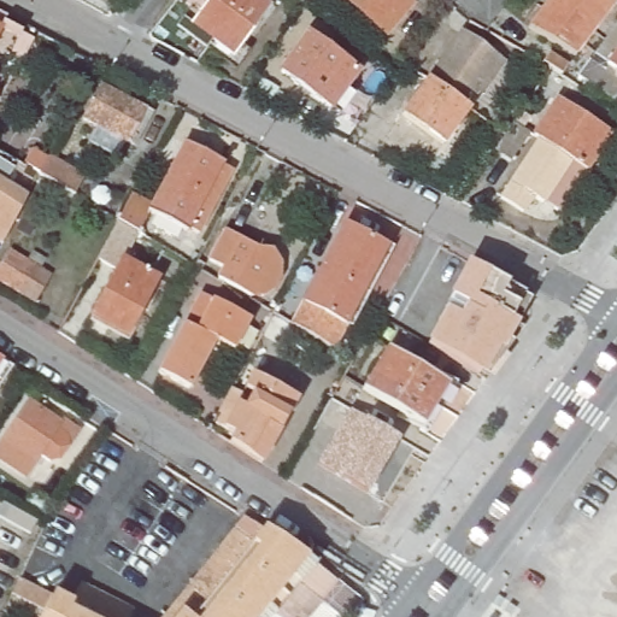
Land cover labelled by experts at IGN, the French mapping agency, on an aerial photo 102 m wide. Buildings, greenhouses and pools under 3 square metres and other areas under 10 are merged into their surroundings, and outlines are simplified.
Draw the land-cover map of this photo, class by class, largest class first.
<instances>
[{"label":"impervious surface","instance_id":"1","mask_svg":"<svg viewBox=\"0 0 617 617\"><path fill-rule=\"evenodd\" d=\"M190 0H0V19H5V31L17 36L14 53L22 55L31 46L36 51L51 53L53 48H60V53L67 60L92 58L94 65H111L113 60H118L121 67L135 72L137 77L147 82H159L166 89H171L174 94L169 96V101H159V106H147L140 118L142 130L135 133L128 142L130 152L108 174V181L133 186L135 164L149 149L166 154L169 159L176 157L183 142L190 137L222 154L224 161L236 171L243 166L246 145L234 135L217 137L212 133H200L198 118L186 116V106H195L210 118L239 128L260 145H268L265 154L255 159L248 176L236 174L227 186L202 234L200 229L186 227L183 222L159 210H149L152 219L142 224L145 236H152L157 231L188 255H193V260L198 263V277L193 289L205 292L207 284H227L246 294L251 289L239 280H231L229 275H217L219 268H224V260H207L215 236L222 229H231L258 243L275 246L282 255V265L287 260L296 263L304 241H294L289 246L284 243V239L277 234V210L304 183V176H292L272 202H260V178H270L272 169L280 166L284 157L294 159L296 164H304L325 181L340 186V210L335 212L333 224L340 229L342 222L352 217L354 222L366 224L369 229L393 241L374 272L371 287L376 292H383L388 296L390 313L395 316L393 325L383 330L378 345L386 347L400 345L419 354L436 369L453 376V386H446V390L436 398V407L429 415H419L415 410L407 419L395 407L381 400L374 402L364 393V386L347 378L342 381L337 376V366L333 364L328 371L309 378L296 366L272 357L277 352V335L289 325H296L294 311L299 299L306 296L311 270L299 268L296 280L284 301L277 304L275 294L268 299L253 296L260 311L251 313V328L246 330L241 347L255 352L248 364L289 383L296 390H304V400L296 405L292 422L282 424L268 458L260 456V451L253 448L248 441L229 436L227 439L215 434L207 424L176 410L154 393V381L161 376L195 395L202 402L205 412H212L217 405L222 407L224 398L212 395L202 386V378L190 381L169 366H161L157 359L147 366V371L140 378L116 371L77 345L80 330H84L89 337H94L96 333L104 335L108 330V323L96 321L92 325L87 316L101 289L108 284V277L116 270V265L104 258L99 260L101 268L96 282L84 294L75 316L63 328L58 325V321H51V325H46L41 318L0 296V374L10 376L12 366L29 376L39 371L46 378L60 383V393L65 398H72L84 410L94 412L89 419H84L70 405L53 398L51 402L65 410L60 419H70L82 429L63 456L39 458V463L31 468V480L36 482H48L55 470L70 468L99 427L113 431V441H106L101 453H94L92 465H87L77 475V484L70 492V504L65 506L60 521L39 525L43 535H39L36 540V550L29 559L24 578L31 581L36 588L51 593L65 588L75 593L80 605L104 617H161L178 598V593L188 586V581L195 578L200 566L222 545V540L231 533V528L246 516L258 523H275L284 528L313 550L323 569L340 578L328 590V603L321 605L311 617H617V200L595 222V227L586 234L576 251L559 253L550 246L537 243L530 236L496 222H477L472 219L470 210L484 202L492 210L499 202L496 195L504 190L509 176L521 166L533 142L545 137L542 133H535V123H542V116L537 113H523L516 121V130L501 135L496 145L501 159L492 164L489 174H482L477 183L468 188L463 200L451 198L446 193H431L419 183H412L407 174L393 171L390 164H381L376 159V149L383 145H422L434 149L431 164L439 169L448 159L453 142L443 137L436 128L431 130V135H424L415 125H407L402 121V99L412 92V87H398L386 104H378L374 99L357 92L364 84L366 67L371 65L366 63V53L333 24H328L325 19L313 22V14L304 10L299 22L287 31L280 55L270 60L260 84L270 94H280L284 89L296 87L304 94H309L304 104L306 108L313 111L318 104L323 108H330L337 116V125L330 135L323 137L306 133L304 125L294 123L292 118H275L270 111H255L248 104V87L239 89L234 82H217L215 72H207L202 67V58L210 48H217L224 55H229L227 70L231 72V77H243L248 65L260 58L265 43L277 36V29L284 19V5L280 0H270L263 14L255 19V24H251L243 31L241 41L236 46H229L219 39H212L202 27L193 22V10L188 7ZM166 17L176 22L178 39H190L193 58L166 41ZM313 27L321 34L330 36L359 63L354 87L345 89L340 99H328L311 82L287 70V60ZM472 255L506 270L513 280L525 282L530 292H537V301L530 311L528 323H516L509 352L499 357L492 371L470 374L446 352L434 347L429 342V335L453 292V287L446 280H451L453 270H463V265ZM588 371H598L600 383L593 386V398H578L576 386L578 381H586ZM337 400L347 407L374 415L400 431H407L412 439L429 446V460L422 465L419 472H415L407 489L400 492L383 525H364L362 533H357L354 525H349L354 513L347 504L328 494L325 489L311 482H301L292 475L280 477V463L287 460L306 424L316 429L328 402ZM545 431H554L557 443L550 448L547 458H535L533 443L542 441ZM523 460H535L537 468L530 475V484L518 487L516 501H509V513L501 518H492L489 509L494 501H501V492L511 484L513 470H523ZM482 518H492L494 530L487 535V542H472L470 530L480 528ZM415 12L402 24H395L388 34L386 48L388 53H393L407 36L410 27L422 17L424 5L429 0H407ZM615 5V12L595 31L593 41L588 46L576 43L574 53L525 29L509 17V7L504 0H456L451 14L443 19L453 29H460L465 24L470 34H477L496 53L506 58L509 51H525V46H535L542 51L545 65L550 67L545 101L554 104L562 94L564 99L583 106L603 123H607L610 113L600 104L578 92L581 82H586L583 72L588 70L590 60L607 63L615 60L612 55L617 53V0H610ZM419 75H436L448 87L458 89L465 99H470V113L475 121H489L492 116H496L492 99L494 92L504 84V75L499 72L482 94H477L465 82L448 75L443 67H436L431 58H412L410 63ZM29 84L27 77L10 75L5 80V87L0 89V111L12 92L24 89ZM92 125H87L82 118L75 123L72 135L63 149L67 154H80V145L89 140ZM51 154L39 149V142H27L19 149L5 140V135H0V178H7L12 171H19L31 181L43 178V166ZM0 487H2V489H7V492H12L14 496H27V489H24V484H19V482H17V480H12L10 475H7V472H2V470H0Z\"/></svg>","mask_w":617,"mask_h":617},{"label":"building","instance_id":"2","mask_svg":"<svg viewBox=\"0 0 617 617\"><path fill-rule=\"evenodd\" d=\"M270 0H190L188 7L193 10V22L202 27L212 39H219L229 46H236L241 41L243 31L251 24H255V19L263 14ZM357 10L364 12L378 29L388 34L395 24H402L415 12L407 0H359ZM615 12V5L610 0H537L533 5V14L525 29L574 53L576 43L588 46L593 41L595 31ZM17 36L5 31V19H0V51L14 53ZM431 58L436 67H443L448 75L465 82L477 94H482L499 72L504 75L506 58L496 53L477 34H470L465 24L460 29H453L443 19L434 36L427 41L419 58ZM287 70L311 82L328 99H340L345 89L354 87L359 63L330 36L321 34L313 27L287 60ZM615 60L607 63L590 60L588 70L583 72L586 82H605V94L617 99V53L612 55ZM402 121L407 125H415L424 135H431V130L436 128L443 137L453 142L463 133L470 113V99H465L458 89L448 87L436 75H419L417 84L412 87V92L402 99ZM147 106L111 84H101L99 87L84 106L82 118L87 125H92L89 140L92 145L106 152L113 149L118 142H128L135 133L142 130L140 118ZM537 113L542 116V123H535V133H542L545 137L533 142L521 166L509 176L504 190L496 195L499 202L504 205L537 219H557L564 195L571 188L574 178H578L583 169H590L598 161L600 145L610 137L607 123H603L583 106L564 99L562 94L554 104L545 101L542 111ZM236 174V171L224 161L222 154L190 137L183 142L176 157L169 159V171L159 183L157 193L152 198H145L140 193L128 195V202L123 212L116 215V224L108 234L99 253V260L104 258L116 265V270L108 277V284L101 289L87 316L92 325L96 321L108 323V330L104 335L137 337L145 330L147 316H152L157 309L154 289L159 284V272H147V263L128 253L130 246L140 243L145 236L142 224L152 219L149 210H159L183 222L186 227L200 229L202 234L227 186ZM43 178L60 181L67 195H77L82 181L75 166L51 154L43 166ZM27 200V190L7 178H0V282L36 301L43 284H55V265L43 263V255L39 253L22 255L12 251L7 234L19 217L22 205ZM393 241L369 229L366 224L354 222L352 217L342 222L340 229L333 224L330 239L321 236L316 243V270H311L306 296L299 299L294 311L296 325L328 345L340 342L342 337L347 328L359 318L371 292H376L371 287L374 272ZM224 260V268H219L217 275H229L231 280H239L251 289L246 294L253 296L268 299L275 294L284 282L282 265V255L275 246L258 243L231 229H222L215 236L207 260ZM453 287V292L429 335V342L434 347L446 352L470 374L492 371L499 357L509 352L516 323H528L530 311L537 301V292H530L525 282L513 280L506 270L472 255L463 265V270H453L451 280H446ZM251 328V313L222 296H212L205 292L193 289L181 309V316L169 323L157 359L161 366H169L190 381L202 378V369L210 354L219 345L241 347L246 330ZM446 386H453V376L436 369L419 354L400 345L386 347L383 359L378 362V366L364 386V393L374 402L381 400L395 407L407 419L415 410L419 415H429L436 407V398L446 390ZM304 400V390H296L289 383L248 364L224 398L222 407L217 422L229 431V436L248 441L253 448L260 451V456L268 458L282 424L292 422L296 405ZM53 398L39 395L34 400L24 395L17 402V407H12L0 395V470H2V472H7V475H10L12 480H17V482H19V484H24V487L36 482L31 480V468L39 463V458L63 456L82 429L70 419H60L65 410L51 402ZM400 431L374 415L347 407L337 400L328 402L316 429L309 448L304 451L292 475L301 482H311L325 489L328 494L347 504L354 513L349 525H354L357 533H362L364 525H383L400 492H376L369 496V487L378 484V475L395 448ZM340 578L323 569L313 550L284 528L275 523H258L246 516L231 528V533L222 540V545L200 566L195 578L188 581V586L178 593V598L161 617H311L321 605L328 603V590ZM12 598L17 603L31 605L36 610V617H104L80 605L75 593L65 588L51 593L36 588L31 581L24 578L12 586Z\"/></svg>","mask_w":617,"mask_h":617},{"label":"deciduous trees","instance_id":"3","mask_svg":"<svg viewBox=\"0 0 617 617\"><path fill-rule=\"evenodd\" d=\"M10 75L27 77L29 84L24 89L12 92L0 111V118L7 123V133H24L39 123L41 113H53L48 121V130L39 142V149L51 154L75 166L82 181L77 195H67L60 181L43 178L31 181L19 171H12L7 178L27 190V200L22 205L19 217L24 222H31L34 227L46 224L48 219H67L72 224V231H77L80 236H89L96 229L108 234L116 224V215L123 212L128 202V195L140 193L145 198H152L157 193L159 183L169 171V159L166 154L149 149L135 164L133 186L108 181V174L130 152L128 142H118L113 149L106 152L92 145L89 140L80 145V154H67L63 149L72 135L75 123L82 118L84 106L99 87L80 72L63 70L51 58V53L36 51L31 46L22 55L17 65L7 67ZM550 67L545 65L542 51L535 46H525V51H509L506 58L504 75V84L494 92L492 99L496 116H492L489 121H475L470 113L463 133L453 142L448 159L439 169L431 164L434 149L422 145H383L376 149V159L381 164H390L393 171L407 174L412 183H419L431 193H446L451 198L463 200L468 188L477 183L482 174H489L492 164L501 159L496 145L501 135L516 130V121L523 113H537L542 111L545 101ZM366 63L371 65L383 70V82L378 84L374 99L378 104H386L398 87H412L417 84L419 75L410 63L398 60L393 53H388L386 48L366 53ZM101 84H111L147 106H159V101H169V96L174 94L171 89H166L159 82H147L137 77L135 72L121 67L118 60H113L111 65H94ZM309 94H304L296 87L284 89L280 94H270L260 84L248 82V104L255 111H270L275 118H292L294 123L304 125L306 133L323 137L330 135L337 125V116L330 108H323L318 104L313 111L306 108L304 104ZM578 92L600 104L610 113L607 123L610 137L600 145L598 161L590 169H583L578 178H574L571 188L564 195L557 219V227L550 234V246L559 253L576 251L586 234L595 227V222L617 200V99L605 94V82H581ZM292 176H304V183L277 210V234L284 239V243L289 246L294 241H304L316 243L321 236L330 239L333 224L335 212L340 210V186L325 181L304 164H296L294 159L284 157L280 166L272 169L270 178H260V202H272ZM504 212V205L499 202L492 210L484 202L470 210L472 219L477 222H496ZM212 296H222L251 313L260 311L253 296L246 294L227 284H207L205 292ZM395 316L390 313L388 296L383 292H371L359 318L347 328L342 337L349 345L371 347L378 345L383 330L393 325ZM272 357L296 366L309 378L328 371L333 364L328 345L296 325H289L277 335V352ZM255 352L241 347L219 345L210 354L202 369V386L212 395L224 398L248 364ZM429 460V446L412 439L407 431H400L395 448L378 475V484L369 487V496L376 492H400L407 489L415 472H419L422 465ZM0 617H36V610L31 605L17 603L0 612Z\"/></svg>","mask_w":617,"mask_h":617},{"label":"brushwood","instance_id":"4","mask_svg":"<svg viewBox=\"0 0 617 617\"><path fill-rule=\"evenodd\" d=\"M284 5V19L277 29V36L265 43L260 58L248 65L243 77H231V72L227 70L229 55H224L217 48H210L202 58V67L207 72H215L217 82H234L239 89L248 87V82L260 84L270 60L280 55L287 31L299 22L304 10L313 14V22L325 19L328 24H333L366 53L386 48L388 34L378 29L364 12L357 10L359 0H280ZM456 0H429L424 5L422 17L410 27L407 36L393 53L398 60L410 63L412 58H419L427 41L434 36L443 19L451 14ZM509 7V17L525 29L533 14V5L537 0H504ZM186 116L198 118L200 133H212L217 137L234 135L246 145L243 166L236 171V174L248 176L255 159L265 154L268 145H260L239 128L210 118L195 106H186ZM316 243L304 241L296 263L287 260L282 265L284 282L275 294L277 304L284 301L296 280L299 268L311 270H316ZM198 277V263L193 260V255H188L181 265H169V270L159 272V284L154 289L157 309L152 316H147L145 330L137 337L104 335L96 333L94 337H89L84 330H80L77 345L116 371L140 378L147 371V366L157 359L169 323L181 316V309L193 289ZM0 296L41 318L48 316V306L36 301L0 282ZM333 364L337 366V376L342 381L347 378L349 371L362 374V364L366 362L371 347L349 345L342 337L340 342L328 345ZM0 395L12 407H17V402L24 395L34 400L39 395L53 398L70 405L84 419H89L94 412L84 410L72 398H65L60 393V383L46 378L39 371L29 376L12 366L10 376L0 374ZM154 393L176 410L207 424L215 434L227 439L229 436V431L217 422L222 407L217 405L212 412H205L202 402L195 395L161 376L154 381ZM316 429L306 424L287 460L280 463V477L292 475L304 451L309 448ZM106 441H113V431L99 427L70 468L55 470L48 482H36L24 487V489H27V496H14L12 492H7V489H2V487H0V501H7L22 509L24 513L34 516L39 525L60 521L65 506L70 504V492L77 484V475L87 465H92L94 453H101Z\"/></svg>","mask_w":617,"mask_h":617},{"label":"herbaceous vegetation","instance_id":"5","mask_svg":"<svg viewBox=\"0 0 617 617\"><path fill-rule=\"evenodd\" d=\"M166 41L193 58L190 39H178L176 22L166 17ZM51 58L63 70L80 72L99 87L101 84L94 65L92 58L67 60L60 53V48H53L51 53ZM22 55L14 53L0 51V89L5 87V80L10 75L7 67L17 65ZM53 113H41L39 123L24 133H7V123L0 118V135H5V140L19 149L27 142H39L48 130V121ZM496 222L530 236L537 243L550 246V234L557 227V219H537L504 205V212ZM108 234L96 229L89 236H80L77 231H72V224L67 219H48L46 224L34 227L31 222H24L19 217L7 234L12 251L22 255L39 253L43 255V263L55 265V284H43L36 301L48 306V316L41 318L46 325H51V321H58V325L63 328L75 316L84 294L96 282L101 268L99 260V253ZM128 253L147 263V272H159L169 270V265H181L188 255L157 231L152 236H145L140 243L130 246ZM386 347L378 345L371 347L366 362L362 364V374L349 371L347 378L364 386L378 366V362L383 359ZM600 383L598 371H588L586 381H578L576 386L578 398H593V386ZM557 443L554 431H545L542 441L533 443L535 458H547L550 448ZM523 470H513L511 484L501 492V501H494L489 509L492 518H501L509 513V501H516L518 487L530 484V475L537 468L535 460H523ZM494 530L492 518H482L480 528L470 530L472 542H487V535Z\"/></svg>","mask_w":617,"mask_h":617},{"label":"pervious surface","instance_id":"6","mask_svg":"<svg viewBox=\"0 0 617 617\"><path fill-rule=\"evenodd\" d=\"M39 535H43L39 525L34 516L24 513L22 509L7 501H0V612L17 603L12 598V586L24 578L29 559L36 550V540Z\"/></svg>","mask_w":617,"mask_h":617},{"label":"swimming pool","instance_id":"7","mask_svg":"<svg viewBox=\"0 0 617 617\"><path fill-rule=\"evenodd\" d=\"M383 82V70L371 65L366 67L364 84L357 92L374 99L378 84Z\"/></svg>","mask_w":617,"mask_h":617}]
</instances>
